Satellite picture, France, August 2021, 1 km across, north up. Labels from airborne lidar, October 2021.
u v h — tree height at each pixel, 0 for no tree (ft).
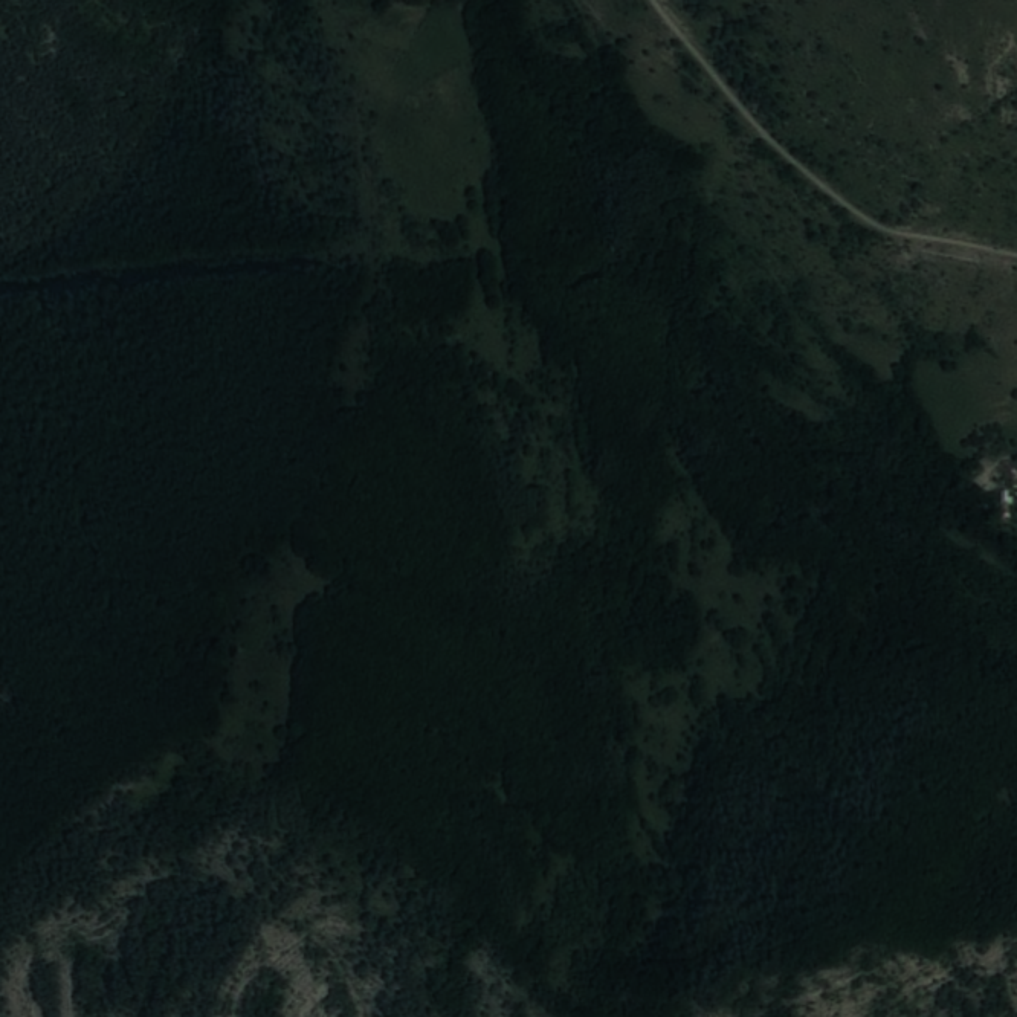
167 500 80
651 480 78
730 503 105
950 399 0
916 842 76
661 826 0
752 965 54
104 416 74
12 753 74
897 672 97
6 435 74
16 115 43
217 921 86
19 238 43
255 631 0
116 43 37
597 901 23
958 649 63
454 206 0
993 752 63
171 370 68
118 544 78
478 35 48
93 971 33
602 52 25
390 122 0
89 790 43
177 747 26
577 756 69
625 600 30
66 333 60
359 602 82
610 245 69
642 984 68
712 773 99
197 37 43
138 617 83
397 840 53
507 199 55
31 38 39
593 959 29
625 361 80
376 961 58
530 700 70
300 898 61
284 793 74
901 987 23
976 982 49
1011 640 27
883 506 59
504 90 86
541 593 41
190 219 74
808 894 86
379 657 62
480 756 77
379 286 26
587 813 53
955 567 60
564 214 89
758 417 76
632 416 93
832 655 23
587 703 70
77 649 65
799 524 74
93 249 64
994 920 31
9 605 66
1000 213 0
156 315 70
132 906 51
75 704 55
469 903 49
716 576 0
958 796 63
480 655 61
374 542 58
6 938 83
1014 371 0
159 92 49
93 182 57
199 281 84
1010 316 0
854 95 0
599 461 87
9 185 36
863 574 89
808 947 61
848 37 0
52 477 73
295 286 65
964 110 0
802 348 22
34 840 43
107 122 30
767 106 34
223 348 65
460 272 71
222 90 46
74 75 42
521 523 74
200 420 63
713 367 94
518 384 39
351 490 55
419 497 65
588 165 94
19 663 41
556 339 72
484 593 67
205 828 52
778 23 0
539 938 27
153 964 82
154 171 42
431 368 70
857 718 80
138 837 28
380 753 79
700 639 64
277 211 50
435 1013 33
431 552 72
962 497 57
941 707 78
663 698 34
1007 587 50
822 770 94
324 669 76
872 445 68
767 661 49
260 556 29
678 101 0
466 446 73
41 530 64
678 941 76
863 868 76
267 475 65
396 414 69
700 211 48
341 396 47
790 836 94
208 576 86
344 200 22
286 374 65
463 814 75
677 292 76
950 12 0
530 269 78
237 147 40
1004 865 76
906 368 46
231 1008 25
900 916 49
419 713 71
